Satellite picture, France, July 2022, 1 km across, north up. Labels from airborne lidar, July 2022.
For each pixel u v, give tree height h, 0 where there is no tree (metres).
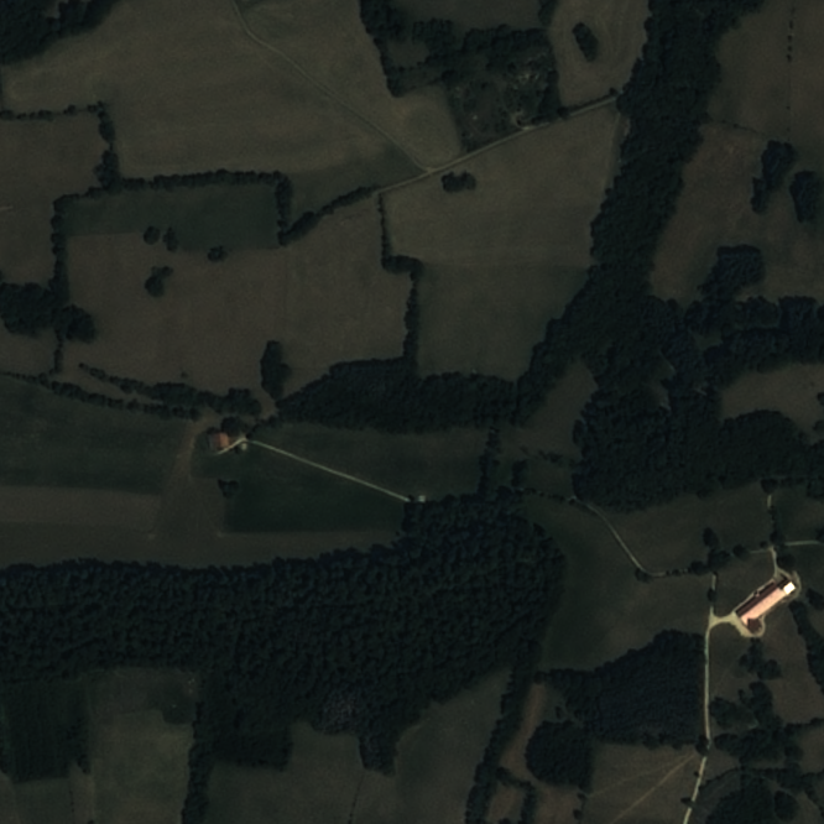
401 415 10
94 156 0
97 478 0
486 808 18
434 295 0
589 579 0
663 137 28
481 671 20
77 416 0
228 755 7
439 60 16
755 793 12
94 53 0
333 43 0
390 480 0
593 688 25
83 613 7
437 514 22
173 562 0
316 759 0
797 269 0
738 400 0
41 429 0
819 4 0
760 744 17
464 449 0
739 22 18
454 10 0
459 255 0
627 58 0
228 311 0
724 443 27
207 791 17
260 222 0
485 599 11
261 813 0
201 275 0
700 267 0
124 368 0
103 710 0
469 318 0
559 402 0
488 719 0
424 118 0
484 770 17
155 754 0
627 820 0
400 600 22
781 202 0
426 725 0
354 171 0
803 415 0
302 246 0
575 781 11
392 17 26
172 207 0
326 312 0
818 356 18
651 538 0
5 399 0
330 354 0
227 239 0
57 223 15
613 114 0
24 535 0
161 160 0
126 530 0
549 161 0
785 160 30
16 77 0
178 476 0
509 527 27
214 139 0
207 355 0
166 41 0
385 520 0
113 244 0
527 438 0
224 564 0
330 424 22
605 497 25
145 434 0
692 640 21
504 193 0
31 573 24
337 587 31
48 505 0
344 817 0
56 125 0
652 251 26
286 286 0
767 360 23
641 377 24
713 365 28
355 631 24
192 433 0
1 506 0
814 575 0
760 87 0
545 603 22
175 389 19
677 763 0
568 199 0
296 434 0
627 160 15
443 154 0
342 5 0
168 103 0
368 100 0
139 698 0
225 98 0
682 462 27
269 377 19
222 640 24
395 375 18
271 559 0
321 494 0
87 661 19
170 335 0
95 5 16
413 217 0
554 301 0
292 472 0
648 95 25
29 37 19
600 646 0
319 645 22
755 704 13
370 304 0
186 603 24
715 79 29
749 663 16
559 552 21
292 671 23
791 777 16
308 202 0
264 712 23
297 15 0
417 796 0
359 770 0
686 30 20
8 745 15
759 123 0
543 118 9
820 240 0
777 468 14
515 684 14
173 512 0
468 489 0
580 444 13
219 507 0
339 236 0
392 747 23
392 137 0
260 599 26
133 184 12
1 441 0
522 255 0
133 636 18
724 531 0
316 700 21
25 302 26
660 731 19
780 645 0
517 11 0
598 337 20
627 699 21
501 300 0
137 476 0
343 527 0
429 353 0
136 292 0
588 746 18
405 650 23
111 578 33
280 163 0
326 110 0
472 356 0
